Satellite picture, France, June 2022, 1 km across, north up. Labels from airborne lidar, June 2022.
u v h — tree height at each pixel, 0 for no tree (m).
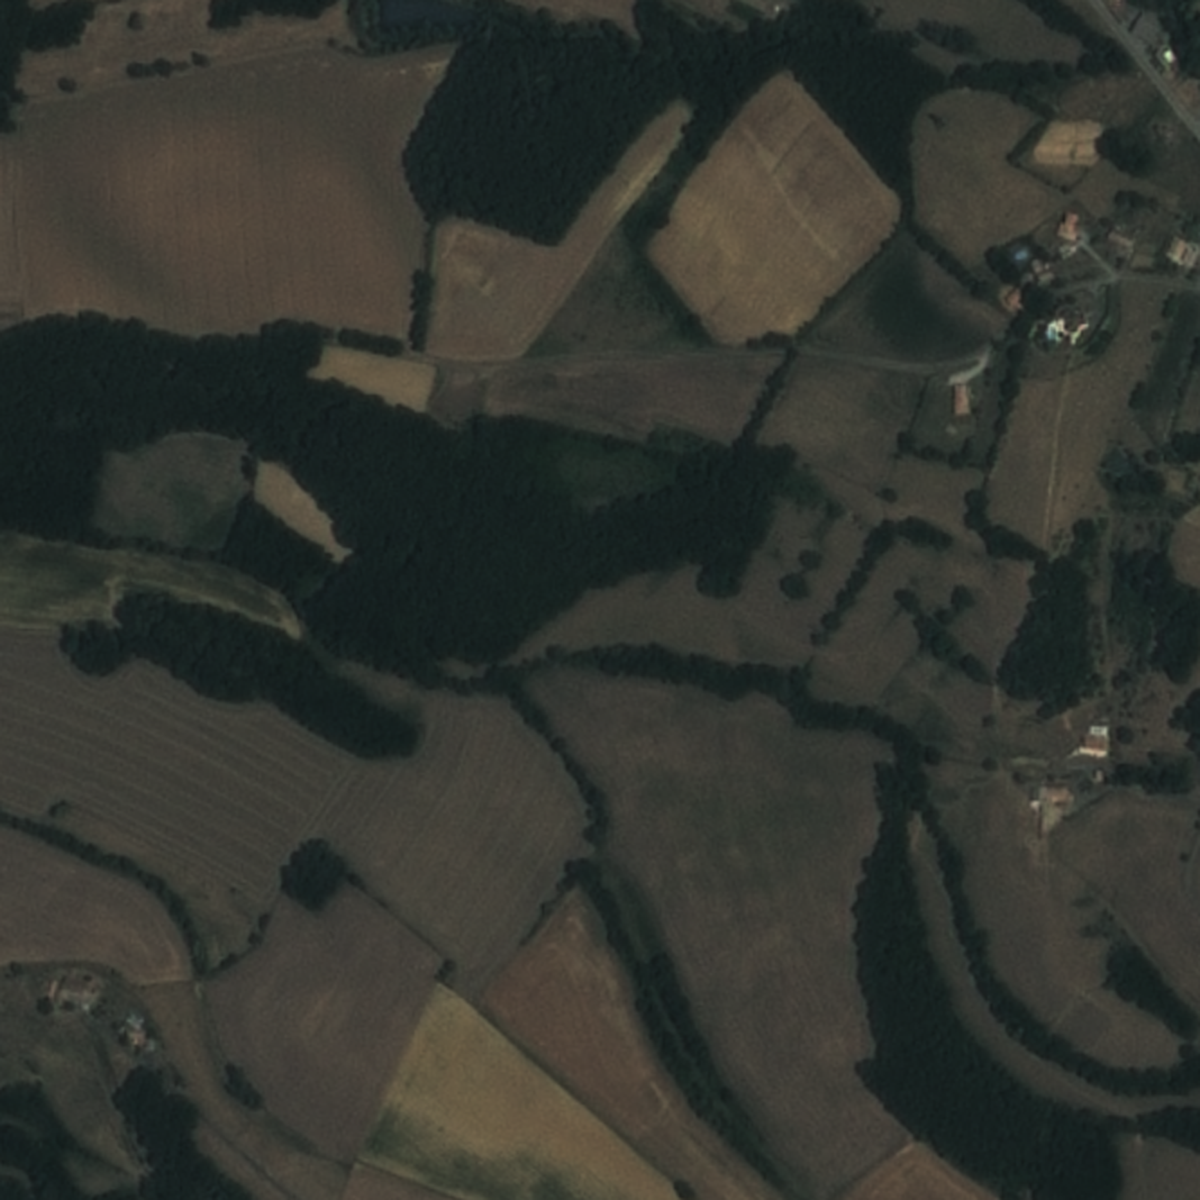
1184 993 0
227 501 0
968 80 19
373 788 0
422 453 19
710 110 18
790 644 0
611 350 0
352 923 0
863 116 12
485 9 12
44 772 0
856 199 0
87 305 0
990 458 8
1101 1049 0
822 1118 0
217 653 21
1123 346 0
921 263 0
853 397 0
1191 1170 0
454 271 0
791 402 0
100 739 0
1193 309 0
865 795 0
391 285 0
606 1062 0
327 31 0
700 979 0
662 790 0
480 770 0
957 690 0
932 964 20
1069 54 0
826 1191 0
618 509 14
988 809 0
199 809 0
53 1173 18
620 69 21
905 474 0
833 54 14
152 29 0
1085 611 23
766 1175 6
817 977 0
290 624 0
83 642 13
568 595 17
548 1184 0
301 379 16
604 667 16
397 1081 0
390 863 0
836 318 0
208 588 0
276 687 18
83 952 0
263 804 0
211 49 0
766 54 14
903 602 11
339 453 22
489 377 0
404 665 16
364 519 16
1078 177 0
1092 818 0
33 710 0
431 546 23
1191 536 0
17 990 0
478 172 21
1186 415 0
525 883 0
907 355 0
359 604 25
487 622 19
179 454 0
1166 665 17
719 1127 7
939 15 0
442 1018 0
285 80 0
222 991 0
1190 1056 14
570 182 14
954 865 19
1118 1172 16
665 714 0
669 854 0
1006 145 0
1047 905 0
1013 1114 20
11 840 0
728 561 18
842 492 0
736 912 0
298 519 0
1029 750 0
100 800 0
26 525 13
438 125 18
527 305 0
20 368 14
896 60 14
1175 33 14
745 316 0
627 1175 0
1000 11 0
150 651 17
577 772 13
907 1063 18
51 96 0
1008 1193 8
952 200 0
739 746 0
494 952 0
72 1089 0
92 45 0
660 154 0
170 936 0
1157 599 22
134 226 0
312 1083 0
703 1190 0
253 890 0
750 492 17
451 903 0
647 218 7
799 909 0
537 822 0
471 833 0
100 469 14
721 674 22
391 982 0
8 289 0
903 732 15
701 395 0
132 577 0
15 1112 6
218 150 0
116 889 0
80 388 20
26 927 0
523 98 18
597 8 0
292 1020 0
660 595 0
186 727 0
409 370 0
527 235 18
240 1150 0
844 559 0
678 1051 10
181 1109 15
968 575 0
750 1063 0
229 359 15
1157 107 0
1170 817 0
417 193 14
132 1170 0
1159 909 0
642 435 0
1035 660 14
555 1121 0
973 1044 13
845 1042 0
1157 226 0
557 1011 0
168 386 19
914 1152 0
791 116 0
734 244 0
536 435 19
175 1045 0
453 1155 0
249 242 0
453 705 0
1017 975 0
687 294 0
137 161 0
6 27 18
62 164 0
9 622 0
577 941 0
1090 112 0
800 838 0
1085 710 0
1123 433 0
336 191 0
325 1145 0
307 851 15
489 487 22
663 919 0
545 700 0
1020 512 0
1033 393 0
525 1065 0
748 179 0
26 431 21
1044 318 11
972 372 0
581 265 0
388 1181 0
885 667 0
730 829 0
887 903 16
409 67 0
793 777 0
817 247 0
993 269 14
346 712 21
